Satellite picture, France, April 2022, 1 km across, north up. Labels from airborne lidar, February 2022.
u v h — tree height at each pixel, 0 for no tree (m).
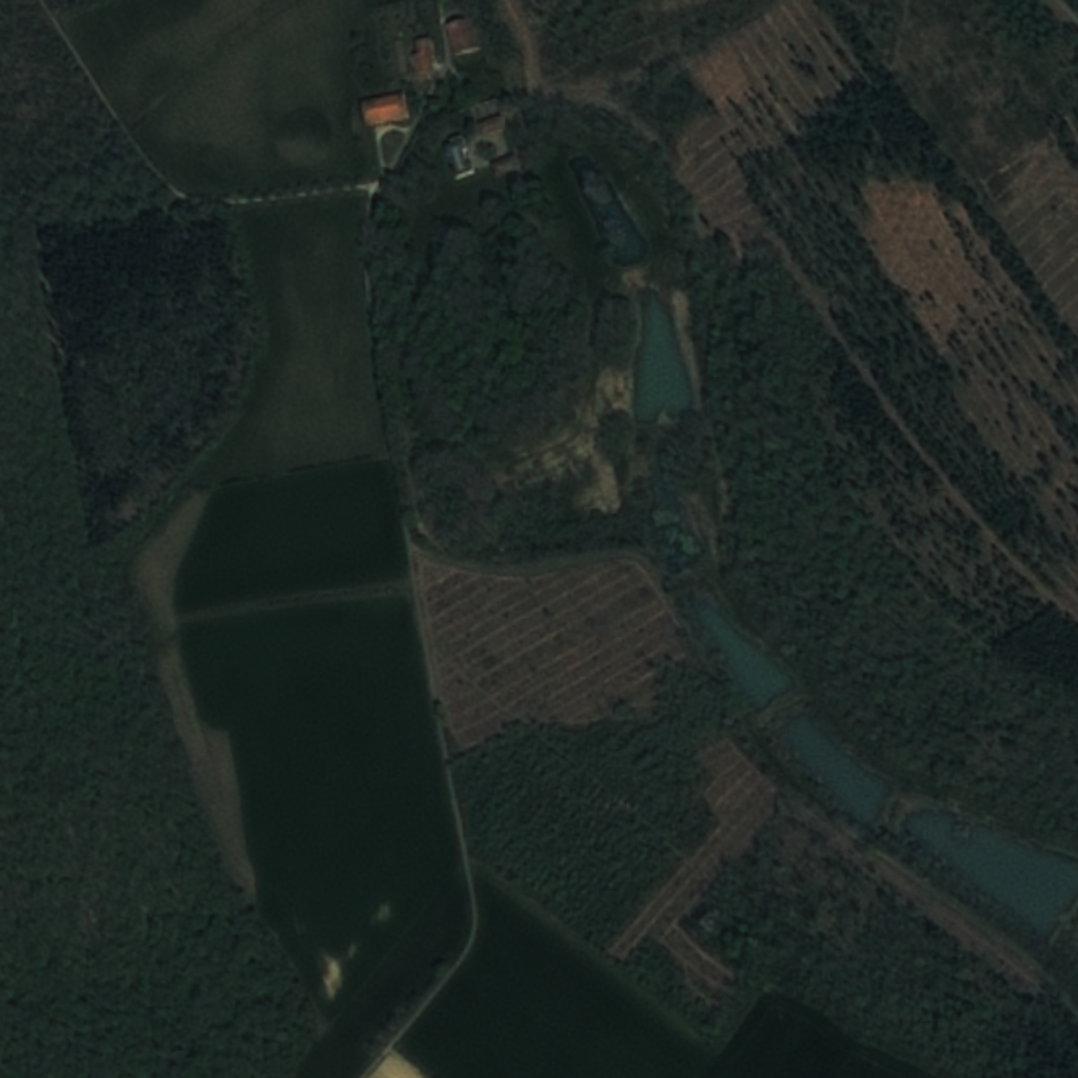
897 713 21
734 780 0
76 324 21
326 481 0
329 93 0
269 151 0
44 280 24
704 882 0
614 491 0
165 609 0
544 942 0
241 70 0
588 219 0
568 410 26
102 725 26
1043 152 0
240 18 0
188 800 15
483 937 0
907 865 23
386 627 0
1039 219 0
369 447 0
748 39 0
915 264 0
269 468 0
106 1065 22
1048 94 0
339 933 0
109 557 23
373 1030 0
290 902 0
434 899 0
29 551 26
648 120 7
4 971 26
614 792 6
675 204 20
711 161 0
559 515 26
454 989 0
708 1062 0
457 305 32
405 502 19
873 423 18
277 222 0
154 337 16
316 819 0
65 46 7
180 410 21
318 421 0
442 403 29
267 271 0
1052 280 0
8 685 24
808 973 19
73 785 22
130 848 22
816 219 18
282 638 0
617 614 0
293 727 0
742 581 18
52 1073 26
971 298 0
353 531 0
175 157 0
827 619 26
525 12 0
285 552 0
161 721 19
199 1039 26
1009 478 25
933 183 25
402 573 0
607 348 27
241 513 0
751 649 0
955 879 21
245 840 0
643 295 0
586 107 29
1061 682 21
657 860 13
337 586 0
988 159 0
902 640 21
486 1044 0
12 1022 25
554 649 0
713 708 12
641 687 0
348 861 0
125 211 25
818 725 6
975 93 0
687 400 0
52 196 26
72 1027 20
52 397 26
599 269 0
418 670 0
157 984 21
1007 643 19
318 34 0
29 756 26
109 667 26
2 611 24
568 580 0
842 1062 0
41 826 25
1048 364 0
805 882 0
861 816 0
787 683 0
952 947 23
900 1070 0
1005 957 0
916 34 0
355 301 0
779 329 13
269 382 0
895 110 25
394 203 22
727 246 20
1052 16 10
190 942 26
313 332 0
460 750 0
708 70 0
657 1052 0
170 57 0
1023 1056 18
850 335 27
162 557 0
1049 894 0
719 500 0
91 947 25
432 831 0
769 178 28
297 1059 15
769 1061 0
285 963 8
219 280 17
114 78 0
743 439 22
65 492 24
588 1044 0
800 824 0
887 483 14
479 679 0
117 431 20
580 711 0
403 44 0
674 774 13
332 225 0
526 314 26
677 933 0
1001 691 23
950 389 28
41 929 26
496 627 0
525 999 0
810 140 22
